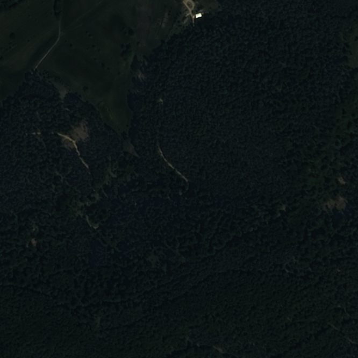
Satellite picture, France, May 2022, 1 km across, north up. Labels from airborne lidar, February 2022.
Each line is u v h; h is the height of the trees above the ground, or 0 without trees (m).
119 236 12
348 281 29
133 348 31
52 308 29
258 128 23
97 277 24
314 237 39
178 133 30
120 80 0
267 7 30
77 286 40
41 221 24
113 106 0
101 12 0
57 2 19
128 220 36
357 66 0
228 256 15
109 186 6
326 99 25
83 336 21
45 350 25
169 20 0
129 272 34
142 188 29
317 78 12
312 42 31
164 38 0
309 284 27
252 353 24
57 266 37
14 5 13
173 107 31
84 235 31
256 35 34
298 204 11
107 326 14
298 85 17
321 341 31
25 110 31
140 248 35
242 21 35
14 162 29
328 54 10
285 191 22
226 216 31
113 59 0
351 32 20
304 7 30
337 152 17
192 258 24
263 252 29
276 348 26
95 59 8
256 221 31
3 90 0
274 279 24
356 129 35
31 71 0
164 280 21
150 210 33
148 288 13
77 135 0
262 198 28
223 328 25
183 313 24
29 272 30
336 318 27
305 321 28
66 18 0
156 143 25
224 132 29
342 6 17
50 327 25
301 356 28
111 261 24
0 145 32
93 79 0
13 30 0
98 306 30
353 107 18
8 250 27
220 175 33
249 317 27
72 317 29
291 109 18
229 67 27
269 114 25
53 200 11
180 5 0
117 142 38
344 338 25
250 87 31
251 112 27
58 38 0
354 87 34
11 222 28
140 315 12
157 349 30
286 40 33
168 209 34
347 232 37
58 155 28
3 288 27
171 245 34
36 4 0
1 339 27
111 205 22
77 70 0
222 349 27
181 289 12
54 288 32
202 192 36
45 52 0
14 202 32
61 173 25
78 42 0
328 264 26
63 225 17
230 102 28
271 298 25
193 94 29
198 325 25
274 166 27
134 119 0
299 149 30
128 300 31
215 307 26
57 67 0
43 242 34
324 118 27
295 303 28
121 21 0
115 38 0
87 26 0
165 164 28
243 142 28
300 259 29
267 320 25
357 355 35
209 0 0
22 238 7
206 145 27
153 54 0
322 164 18
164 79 21
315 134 27
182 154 25
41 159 27
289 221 12
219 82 33
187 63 25
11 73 0
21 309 22
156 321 23
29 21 0
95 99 0
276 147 22
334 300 29
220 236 35
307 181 32
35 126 38
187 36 15
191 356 32
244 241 27
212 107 25
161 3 0
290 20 30
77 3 0
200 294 20
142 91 32
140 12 0
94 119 30
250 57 31
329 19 27
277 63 33
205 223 38
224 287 23
